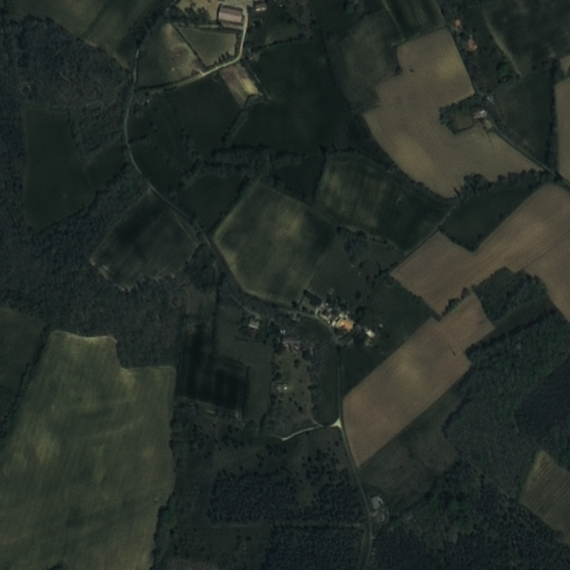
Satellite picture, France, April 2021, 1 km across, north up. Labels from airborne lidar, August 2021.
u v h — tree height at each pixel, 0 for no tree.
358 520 11
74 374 0
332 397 0
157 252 0
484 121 12
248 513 12
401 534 12
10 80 20
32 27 17
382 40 0
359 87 0
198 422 0
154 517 0
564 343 20
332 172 0
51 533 0
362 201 0
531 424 13
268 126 0
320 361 16
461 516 17
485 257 0
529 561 17
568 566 14
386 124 0
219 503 14
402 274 0
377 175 0
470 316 0
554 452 19
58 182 0
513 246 0
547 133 0
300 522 11
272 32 0
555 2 0
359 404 0
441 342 0
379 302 0
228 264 0
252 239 0
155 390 0
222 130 0
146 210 0
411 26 0
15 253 13
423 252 0
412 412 0
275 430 15
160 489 0
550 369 21
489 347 13
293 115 0
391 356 0
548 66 11
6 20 15
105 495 0
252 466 0
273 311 17
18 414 8
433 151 0
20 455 0
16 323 0
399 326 0
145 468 0
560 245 0
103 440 0
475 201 0
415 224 0
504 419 20
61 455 0
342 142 0
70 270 13
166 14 17
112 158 0
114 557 0
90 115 5
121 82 19
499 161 0
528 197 0
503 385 20
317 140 0
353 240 12
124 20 0
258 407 0
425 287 0
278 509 15
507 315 13
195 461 0
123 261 0
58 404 0
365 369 0
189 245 0
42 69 16
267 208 0
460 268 0
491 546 15
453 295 0
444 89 0
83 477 0
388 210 0
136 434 0
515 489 22
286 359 0
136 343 20
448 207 0
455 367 0
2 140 14
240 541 13
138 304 15
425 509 15
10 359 0
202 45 0
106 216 19
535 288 19
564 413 13
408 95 0
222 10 0
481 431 21
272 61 0
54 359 0
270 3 12
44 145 0
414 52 0
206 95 0
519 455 22
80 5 0
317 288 0
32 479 0
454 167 0
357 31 0
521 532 14
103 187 0
